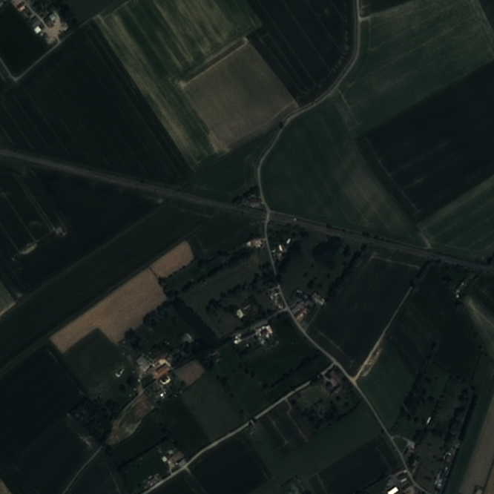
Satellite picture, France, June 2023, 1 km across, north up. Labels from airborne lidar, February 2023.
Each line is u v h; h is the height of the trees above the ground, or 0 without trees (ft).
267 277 43
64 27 0
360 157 0
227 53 0
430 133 0
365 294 0
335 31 0
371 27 0
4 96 0
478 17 0
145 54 0
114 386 0
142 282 0
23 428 0
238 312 0
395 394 0
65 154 0
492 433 0
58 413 0
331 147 0
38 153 0
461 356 0
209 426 0
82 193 0
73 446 0
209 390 0
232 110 0
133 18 0
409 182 0
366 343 0
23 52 0
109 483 0
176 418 0
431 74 0
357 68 0
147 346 0
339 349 0
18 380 0
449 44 0
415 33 0
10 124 0
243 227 0
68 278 0
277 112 0
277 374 0
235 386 0
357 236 0
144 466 0
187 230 0
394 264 0
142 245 0
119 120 0
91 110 0
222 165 0
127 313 0
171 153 0
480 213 0
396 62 0
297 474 0
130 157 0
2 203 0
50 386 0
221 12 0
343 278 35
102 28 0
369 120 0
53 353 0
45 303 0
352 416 0
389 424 0
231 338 32
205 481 0
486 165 0
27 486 0
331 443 0
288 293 0
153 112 0
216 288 0
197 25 0
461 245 0
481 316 0
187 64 0
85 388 0
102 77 0
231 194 0
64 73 0
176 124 0
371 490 0
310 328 0
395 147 0
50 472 0
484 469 0
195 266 0
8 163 0
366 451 0
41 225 0
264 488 0
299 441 0
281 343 0
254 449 0
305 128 0
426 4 0
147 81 0
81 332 0
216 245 0
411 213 0
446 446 30
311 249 0
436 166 0
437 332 0
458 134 0
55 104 0
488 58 0
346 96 0
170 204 0
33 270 0
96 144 0
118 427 0
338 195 0
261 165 0
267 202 0
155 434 0
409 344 0
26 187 0
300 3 0
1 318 0
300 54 0
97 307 0
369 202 0
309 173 0
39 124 0
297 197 0
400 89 0
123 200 0
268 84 0
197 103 0
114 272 0
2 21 0
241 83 0
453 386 0
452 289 48
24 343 0
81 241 0
